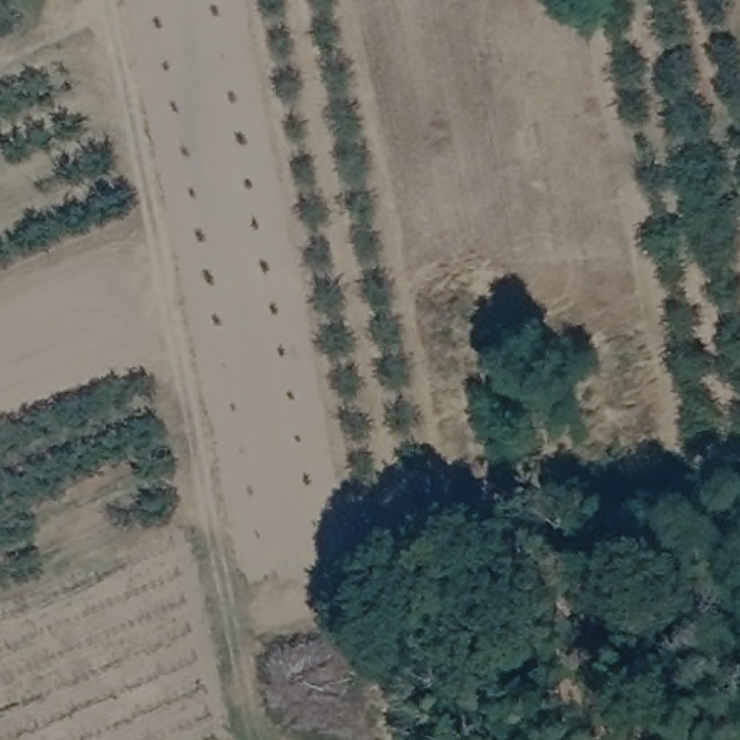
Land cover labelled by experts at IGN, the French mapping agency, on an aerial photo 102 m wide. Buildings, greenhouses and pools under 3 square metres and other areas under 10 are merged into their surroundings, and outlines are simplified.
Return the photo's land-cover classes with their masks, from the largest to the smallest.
<instances>
[{"label":"herbaceous vegetation","instance_id":"1","mask_svg":"<svg viewBox=\"0 0 740 740\"><path fill-rule=\"evenodd\" d=\"M335 43L341 46L350 64V98L358 104L361 133L370 153L367 191L373 194V231L379 234V251L373 257L358 260L350 240L344 182L335 171V142L324 113L327 87L321 75V49L312 40V9L306 0H0V78L20 75L23 69H43L52 84V101L23 107L14 116L0 119V266L23 254L6 231H12L23 220L26 211H46L64 205L66 199H84L90 194L93 185L87 176L81 182H61L55 165L61 156H75L93 142L113 145L116 162L107 171V182L113 185L119 179H127L136 191V205L142 211L145 243H139L133 251V289L142 298V324L153 332L136 350L116 353L113 373L124 376L130 370H145L156 379L153 393L133 396L130 408L136 413L153 410L165 422V436L176 471L136 477L127 463L110 460L98 465L95 474L66 483L58 497L35 500L29 512L35 515V546L40 555V575L0 587V624L20 613H29L32 607H49L64 595L90 590L113 578L116 572L153 555H165L171 552V546L188 541L197 561L211 642L217 650L220 697L234 740H393L382 685L367 682L358 668L350 665L347 653H338V648L330 642L327 627L318 624L306 601L309 569L315 567V558L324 564L327 558L341 561L344 555L356 552V543L350 541V526H373L376 517L384 512L422 503H442L448 509L454 503H463L471 520H489L491 506L509 500L515 491H532L543 497L546 483H564L567 477H575L581 483V494L598 497V509L587 520V526L575 532H561L535 517H515L509 529H503V546L512 558V572H523L526 558L541 564L543 578L555 595V610L569 616L572 639L567 642V650L555 645V659L561 665V700L581 702L584 688L601 691L604 682L621 668H627L636 679L639 674L650 671V665H659L665 697L688 700L708 697L714 688V676L708 674H702L691 685H676V674L694 656L691 645L697 642V630L691 621L717 616V598L711 593H691V607L685 613H676V619L656 630L653 639L621 645L610 639V630L601 619L569 613V601L564 598V558L558 552H593L598 541L633 538L645 541L650 552H656V529L650 523L636 520L627 500L639 497L656 506L659 494L665 491L682 497L694 494L720 468L740 471V384L731 387L720 376L708 373L702 384L720 405L714 431L685 442L679 439V393L674 390V379L665 367V286L656 278V263L639 246L636 251H630L633 272L604 269L584 275V292L578 304L572 298H564V280H549L555 263H532L517 278H500L483 298L465 289L425 295V280L436 275V266L428 263L416 272L405 269L402 223L396 214L393 182L387 171L390 147L379 130L376 93L361 40V17L353 12V0H335ZM272 26L289 29L292 49L286 55H272L266 38ZM58 113L84 116L81 133H75L72 139L52 142L46 150L32 153L23 162H6V133H26V119H35L43 124V130H52V119ZM298 153L312 156L315 176L309 182H295L292 176V156ZM301 194H321L327 205L324 225H304V220L298 217ZM312 237H327L330 243L332 280H338L341 286L344 327L353 335L350 353L327 356L315 347V335L321 332V327H327V315L315 312L309 301L312 275L304 263V249ZM370 269H382L387 283L393 286L390 309L399 318L405 356L410 364V384L402 387H384L376 373L379 344L370 338L373 309L361 298V275ZM541 315H546V324L552 330L567 324L584 327L598 353V367L575 384L578 408L593 410L584 419L587 436L572 439L564 428L561 434L538 428L532 436L535 451L526 454V463L515 460L509 468L491 465L483 457V442H477V434L468 419L465 379L477 373V350L497 347L506 335L517 332L529 318L535 321ZM350 364H356L361 387L356 396H338L330 384V373L335 367ZM396 396H405L410 405H416L422 419L419 425L399 428L393 434L387 428L384 410L387 405H393ZM338 410H361L370 419V434L350 439L338 422ZM350 451L373 454V468L382 471L376 483L367 486L350 480ZM139 489L176 491L179 500L168 523L150 529L139 523ZM633 20L627 29V40L636 43L645 58L642 93L648 101V119L627 124L633 136H648V142L653 145L656 165H665L671 150H679L685 145L679 133L668 136L662 130V95L656 90L653 75L662 46L650 29L648 0H630ZM691 26V52L697 64L694 93L702 95V101L711 107V139L717 145L728 136L731 121L726 101L714 90L717 66L711 64L705 43L711 32H731L740 46V0H731L720 20H711L705 26L697 0H682ZM679 266L685 272V301L694 304L700 312L697 338L708 353H717V306L705 295V275L688 251L679 254ZM113 382L107 376L23 408L29 413H40L69 399H84L95 387H107ZM538 671V659L529 656L520 668L503 671L497 676L500 688L512 679H532V674ZM590 740H659L656 734L624 737L621 728L598 726L590 731Z\"/></svg>","mask_w":740,"mask_h":740},{"label":"deciduous trees","instance_id":"2","mask_svg":"<svg viewBox=\"0 0 740 740\"><path fill-rule=\"evenodd\" d=\"M312 9V40L321 49V75L327 87L324 113L335 142V171L344 182L350 240L358 260L373 257L379 251V234L373 231V194L367 191L370 153L361 133L358 104L350 98V64L341 46L335 43V0H306ZM549 17L572 26L581 38H593L595 29H604L610 40V72L619 101V119L627 124L648 119V101L642 93L645 58L636 43L627 40V29L633 20L630 0H541ZM650 29L662 46L653 75L656 90L662 95V130L668 136L679 133L685 145L679 150H671L665 165H656L653 145L648 142V136H633L636 182L650 208V217L639 225V246L656 263V278L665 286V367L674 379V390L679 393V439L685 442L714 431L720 405L702 384L708 373L720 376L731 387L740 384V46L731 32H711L705 43L711 64L717 66L714 90L726 101L731 121L728 136L717 145L711 139V107L702 101V95L694 93L697 64L691 52V26L682 0H648ZM688 251L705 275V295L717 306V353H708L697 338L700 312L694 304L685 301V272L679 266V254ZM731 0H697L705 26L711 20H720ZM266 38L272 55H286L292 49L289 29L272 26ZM52 101V84L43 69H23L20 75L0 78V119L14 116L23 107ZM52 130H43V124L35 119H26V133H6V162H23L32 153L46 150L52 142L72 139L75 133H81L84 116L58 113L52 119ZM116 162L113 145L93 142L75 156H61L55 165L61 182H81L87 176L93 185L90 194L84 199H66L64 205L46 211H26L23 220L12 231H6L23 254L46 249L61 237L81 234L90 225L119 220L127 214L130 205H136V191L127 179H119L113 185L107 182V171ZM292 176L295 182H309L315 176L312 156L298 153L292 156ZM298 217L304 220V225H324L327 205L321 194H301ZM304 263L312 275L309 301L315 312L327 315V327H321V332L315 335V347L327 356L350 353L353 335L344 327L341 286L338 280H332L330 243L327 237H312L304 249ZM361 298L373 309L370 338L379 344L376 373L384 387H402L410 384V364L405 356L399 318L390 309L393 286L387 283L382 269H370L361 275ZM598 367V353L584 327L567 324L552 330L546 324V315H541L535 321L529 318L517 332L506 335L497 347L477 350V373L465 379L468 419L477 434V442H483V457L491 465L509 468L515 460L526 463V454L535 451L532 436L538 428L561 434L564 428L572 439L587 436L584 419L593 410L578 408L575 384ZM330 384L338 396H356L361 387L356 364H350L335 367L330 373ZM107 376L113 382L107 387H95L84 399H69L40 413H29L23 408L0 413V587L40 575V555L35 546V515L29 512L35 500L58 497L66 483L95 474L98 465L110 460L127 463L136 477L176 471L165 436V422L153 410L136 413L130 408L133 396L153 393L156 379L145 370H130L124 376L113 373ZM387 428L393 434L399 428L419 425L422 419L416 405H410L405 396H396L393 405H387L384 410ZM338 422L350 439L370 434V419L361 410H338ZM350 480L367 486L376 483L382 471L373 468V454L350 451ZM636 520L650 523L656 529V552H650L645 541L633 538L598 541L593 552H558L564 558V598L569 601V613L601 619L610 630V639L621 645L653 639L656 630L676 619V613H685L691 607V593H711L717 598V616L691 621L697 630V642L691 645L694 656L676 674V685H691L702 674H708L714 676V688L708 697L688 700L665 697L659 665H650V671L639 674L636 679L627 668H621L604 682L601 691L584 688L581 702L561 700V665L555 659V645L567 650V642L572 639L569 616L555 610V595L543 578L541 564L526 558L523 572H512V558L503 546V529H509L515 517H535L561 532H575L587 526V520L598 509V497L581 494V483L575 477H567L564 483H546L543 497L532 491H515L509 500L491 506L489 520H471L463 503H454L448 509L442 503H422L384 512L376 517L373 526H350V541L356 543V552L344 555L341 561L327 558L324 564L315 558V567L309 569L306 601L318 624L327 627L330 642L338 648V653H347L350 665L358 668L367 682L382 685L393 740H590V731L598 726L621 728L624 737L656 734L659 740H740V471L720 468L694 494L682 497L665 491L659 494L656 506L639 497L627 500ZM529 656L538 659V671L532 674V679H512L500 688L497 676L503 671L520 668ZM139 523L150 529L168 523L179 500L176 491L139 489Z\"/></svg>","mask_w":740,"mask_h":740},{"label":"agricultural land","instance_id":"3","mask_svg":"<svg viewBox=\"0 0 740 740\"><path fill-rule=\"evenodd\" d=\"M353 12L361 17V40L376 93L379 130L390 147L387 171L393 182L396 214L402 223L405 269L416 272L428 263L436 266V275L425 280V295L465 289L483 298L500 278H517L532 263H555L549 280H564V298H572L578 304L584 292V275L604 269L633 272L630 251H636L639 246V225L650 217V208L636 182L633 136L627 124L619 119V101L610 72V40L604 29H595L593 38H581L572 26L549 17L541 0H353ZM139 243H145L142 211L136 205H130L127 214L119 220L90 225L81 234L61 237L46 249L23 254L0 266V413L23 408L107 376L113 373L116 353L136 350L153 332L142 324V298L133 289V251ZM0 740H234L220 697L217 650L211 642L197 561L188 541L171 546V552L165 555H153L116 572L113 578L90 590L64 595L49 607H32L29 613H20L0 624Z\"/></svg>","mask_w":740,"mask_h":740}]
</instances>
